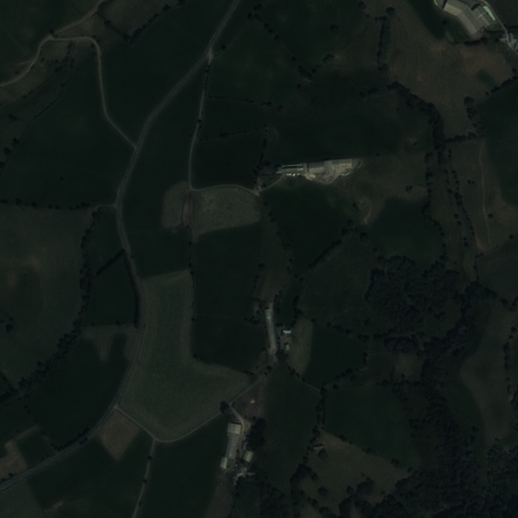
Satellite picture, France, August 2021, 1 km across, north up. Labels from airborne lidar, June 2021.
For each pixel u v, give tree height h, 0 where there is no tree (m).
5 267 0
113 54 0
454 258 0
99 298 0
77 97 0
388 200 0
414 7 0
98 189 0
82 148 0
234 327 0
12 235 0
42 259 0
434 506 26
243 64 0
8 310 0
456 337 25
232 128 0
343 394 0
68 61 6
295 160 0
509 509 21
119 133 0
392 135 0
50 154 0
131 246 0
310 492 0
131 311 0
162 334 0
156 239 0
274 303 6
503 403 0
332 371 0
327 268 0
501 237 0
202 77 0
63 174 0
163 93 0
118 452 0
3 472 0
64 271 0
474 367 0
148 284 0
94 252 0
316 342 0
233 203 0
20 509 0
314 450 8
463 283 0
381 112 0
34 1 0
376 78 0
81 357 0
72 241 0
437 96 0
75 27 0
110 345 0
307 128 0
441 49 0
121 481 0
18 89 0
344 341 0
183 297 0
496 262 0
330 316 0
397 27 0
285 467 0
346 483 0
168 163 0
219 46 0
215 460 0
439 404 17
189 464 0
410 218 0
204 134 0
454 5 0
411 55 0
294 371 7
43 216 0
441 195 0
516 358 0
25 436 0
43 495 0
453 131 0
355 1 0
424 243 0
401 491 23
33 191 0
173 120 0
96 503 0
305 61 0
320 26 0
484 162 0
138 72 0
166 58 0
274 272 0
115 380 0
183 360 0
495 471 17
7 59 0
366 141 0
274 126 0
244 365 0
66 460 0
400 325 22
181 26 0
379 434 0
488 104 0
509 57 0
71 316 0
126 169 0
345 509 19
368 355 10
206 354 0
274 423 0
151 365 0
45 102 0
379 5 0
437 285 24
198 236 0
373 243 0
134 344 0
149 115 0
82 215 0
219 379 0
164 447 0
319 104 0
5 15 0
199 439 0
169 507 0
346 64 0
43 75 0
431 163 16
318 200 0
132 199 0
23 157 0
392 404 0
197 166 0
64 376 0
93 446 0
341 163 0
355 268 0
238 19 0
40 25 0
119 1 0
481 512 27
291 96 0
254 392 0
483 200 0
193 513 0
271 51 0
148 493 0
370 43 0
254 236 0
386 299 21
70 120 0
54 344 0
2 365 0
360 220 0
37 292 0
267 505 10
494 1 0
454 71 0
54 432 0
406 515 21
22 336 0
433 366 20
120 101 0
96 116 0
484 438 0
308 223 0
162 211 0
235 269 0
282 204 0
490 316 0
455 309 0
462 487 23
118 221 0
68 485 0
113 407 0
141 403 0
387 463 0
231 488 0
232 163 0
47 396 0
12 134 0
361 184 0
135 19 0
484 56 0
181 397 0
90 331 0
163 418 0
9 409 0
